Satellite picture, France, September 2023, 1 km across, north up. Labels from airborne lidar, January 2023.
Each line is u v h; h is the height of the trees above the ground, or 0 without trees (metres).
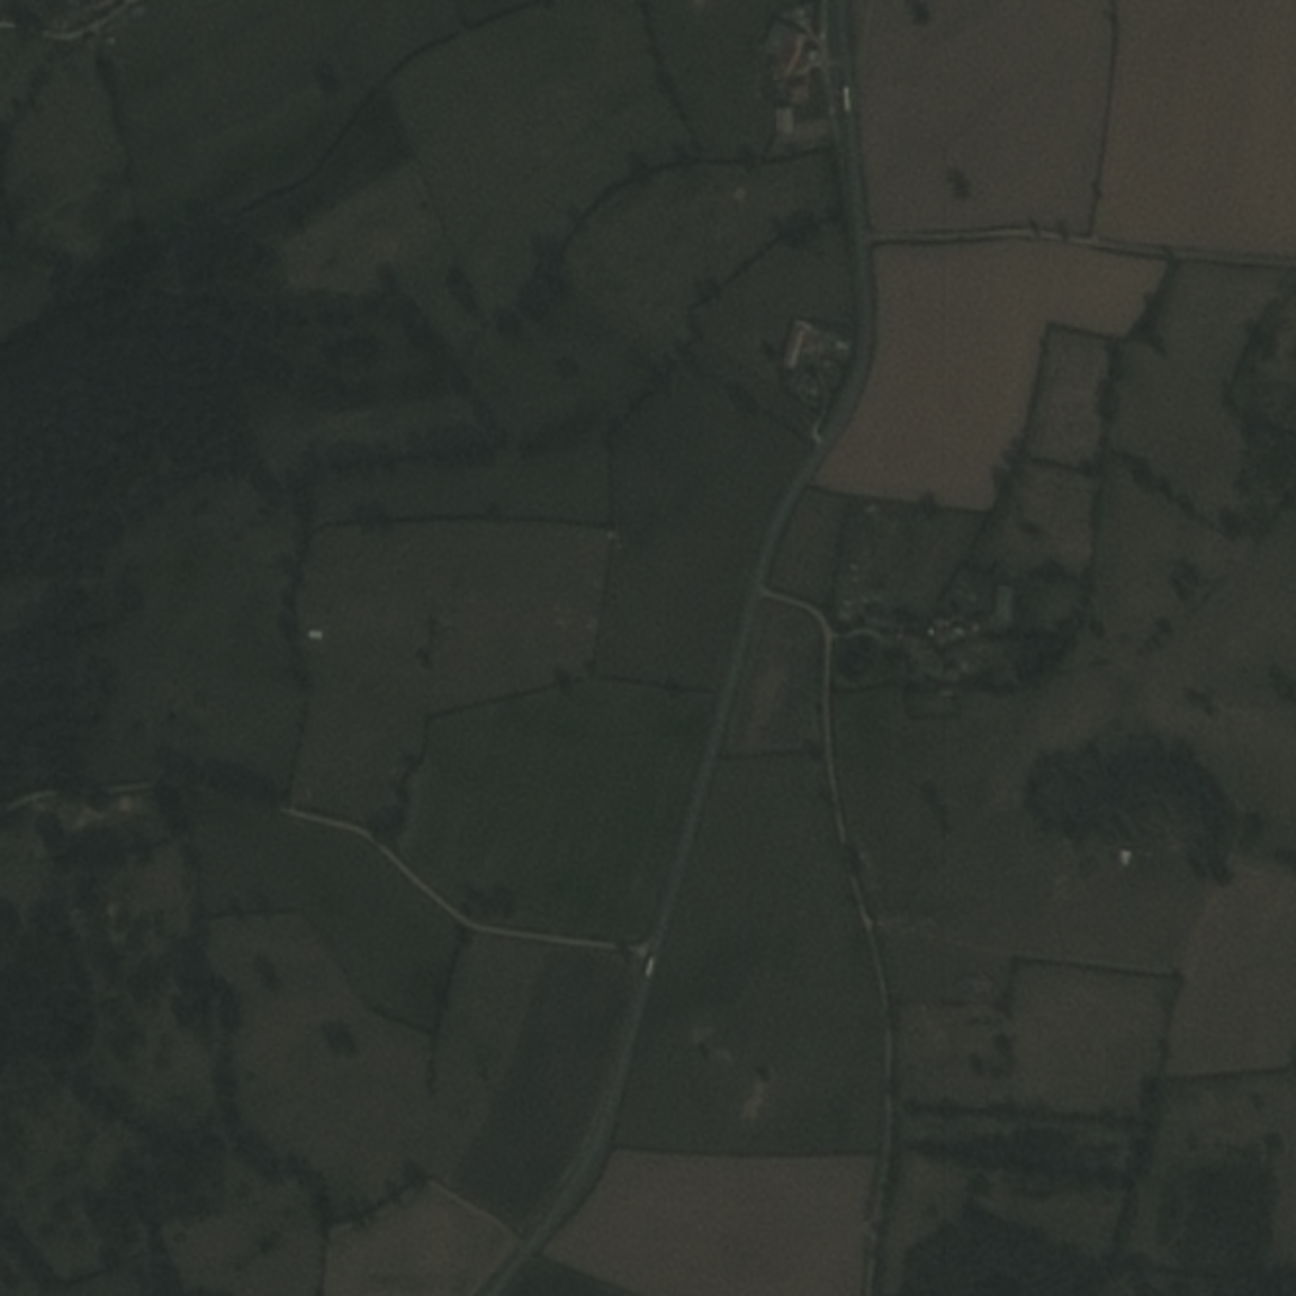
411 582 0
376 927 0
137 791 0
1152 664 0
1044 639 7
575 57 0
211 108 0
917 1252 9
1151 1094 14
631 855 0
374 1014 0
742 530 0
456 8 0
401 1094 0
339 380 0
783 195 0
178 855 0
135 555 0
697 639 0
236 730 0
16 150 0
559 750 0
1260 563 0
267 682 0
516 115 0
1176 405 0
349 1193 0
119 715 0
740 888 0
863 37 0
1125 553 0
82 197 0
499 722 0
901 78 0
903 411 0
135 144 0
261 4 0
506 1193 0
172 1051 0
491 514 9
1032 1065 0
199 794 0
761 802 0
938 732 0
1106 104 0
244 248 11
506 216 0
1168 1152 0
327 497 0
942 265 0
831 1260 0
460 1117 0
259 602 0
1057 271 0
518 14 0
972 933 0
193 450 17
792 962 0
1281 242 0
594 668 9
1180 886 0
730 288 0
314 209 0
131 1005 0
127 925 0
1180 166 0
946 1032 0
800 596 0
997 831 0
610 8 0
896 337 0
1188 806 14
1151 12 0
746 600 0
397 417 0
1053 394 0
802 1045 0
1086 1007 0
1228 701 0
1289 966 0
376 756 0
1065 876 0
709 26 0
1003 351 0
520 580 0
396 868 0
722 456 0
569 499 0
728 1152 0
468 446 17
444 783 0
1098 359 0
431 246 0
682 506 0
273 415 0
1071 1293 6
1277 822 0
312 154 0
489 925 0
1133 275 0
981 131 0
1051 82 0
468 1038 0
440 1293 0
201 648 0
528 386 0
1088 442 0
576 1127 0
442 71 0
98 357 8
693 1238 0
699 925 0
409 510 0
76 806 0
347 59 0
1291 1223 0
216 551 0
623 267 0
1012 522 0
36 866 0
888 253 0
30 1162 0
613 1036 0
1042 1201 0
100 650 0
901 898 0
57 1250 0
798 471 0
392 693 0
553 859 0
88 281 15
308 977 0
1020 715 0
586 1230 0
